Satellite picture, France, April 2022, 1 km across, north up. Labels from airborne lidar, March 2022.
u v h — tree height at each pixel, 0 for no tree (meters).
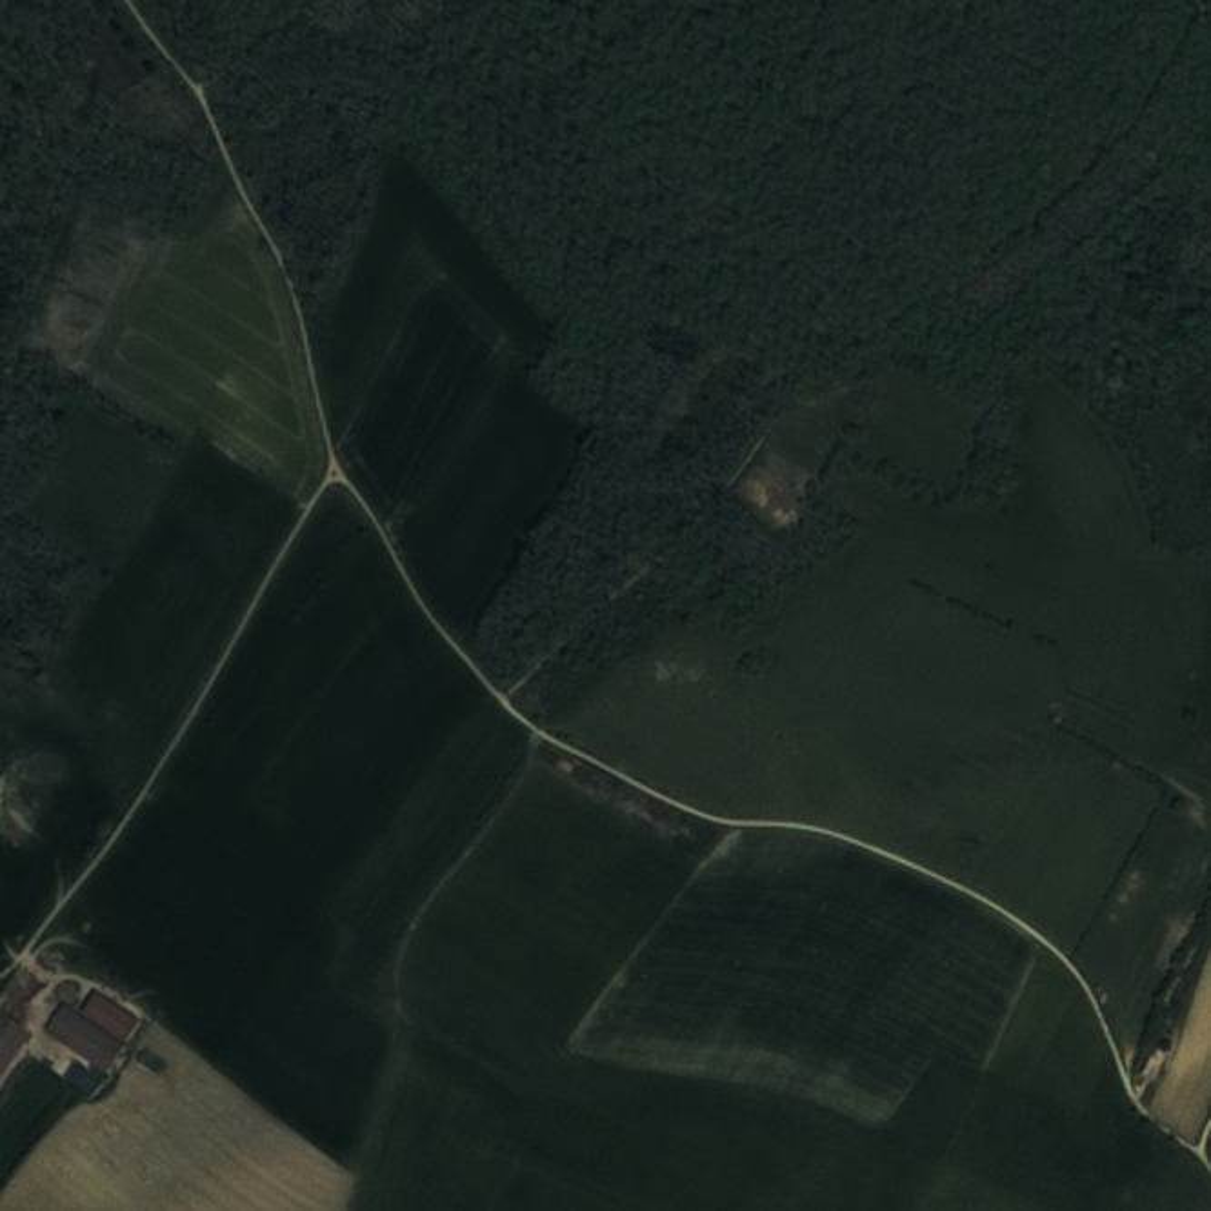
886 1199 0
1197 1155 0
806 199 22
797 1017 0
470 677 0
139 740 0
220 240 0
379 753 0
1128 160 24
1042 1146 0
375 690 0
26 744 0
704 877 0
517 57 23
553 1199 0
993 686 0
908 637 0
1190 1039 0
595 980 0
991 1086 0
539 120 23
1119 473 0
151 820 0
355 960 0
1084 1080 0
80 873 0
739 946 0
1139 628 0
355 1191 0
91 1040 0
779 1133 0
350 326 0
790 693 0
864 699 0
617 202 24
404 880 0
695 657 0
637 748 0
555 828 0
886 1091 0
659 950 0
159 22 7
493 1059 0
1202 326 24
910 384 0
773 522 0
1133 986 0
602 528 23
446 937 0
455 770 0
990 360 23
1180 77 23
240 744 0
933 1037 0
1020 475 14
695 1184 0
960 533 0
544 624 15
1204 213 19
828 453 0
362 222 15
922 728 0
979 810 0
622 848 0
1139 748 0
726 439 17
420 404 0
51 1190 0
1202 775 0
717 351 22
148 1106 0
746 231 25
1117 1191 0
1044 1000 0
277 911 0
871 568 0
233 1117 0
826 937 0
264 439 0
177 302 0
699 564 19
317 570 0
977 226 19
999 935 0
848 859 0
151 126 0
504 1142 0
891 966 0
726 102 25
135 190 22
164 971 0
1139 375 22
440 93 24
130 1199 0
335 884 0
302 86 26
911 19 25
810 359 22
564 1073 0
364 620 0
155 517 0
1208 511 8
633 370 16
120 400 0
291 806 0
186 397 0
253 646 0
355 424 0
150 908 0
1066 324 24
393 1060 0
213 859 0
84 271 0
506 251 13
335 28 32
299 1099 0
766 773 0
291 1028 0
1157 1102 0
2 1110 0
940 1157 0
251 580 0
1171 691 0
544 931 0
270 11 22
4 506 22
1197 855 0
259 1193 0
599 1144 0
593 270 19
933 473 0
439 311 0
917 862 0
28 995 0
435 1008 0
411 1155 0
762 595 18
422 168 14
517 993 0
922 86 23
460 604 0
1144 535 0
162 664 0
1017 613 0
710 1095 0
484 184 16
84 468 0
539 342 0
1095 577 0
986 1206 0
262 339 0
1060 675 0
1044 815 0
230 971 0
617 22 25
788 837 0
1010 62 23
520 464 0
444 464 0
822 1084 0
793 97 23
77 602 22
